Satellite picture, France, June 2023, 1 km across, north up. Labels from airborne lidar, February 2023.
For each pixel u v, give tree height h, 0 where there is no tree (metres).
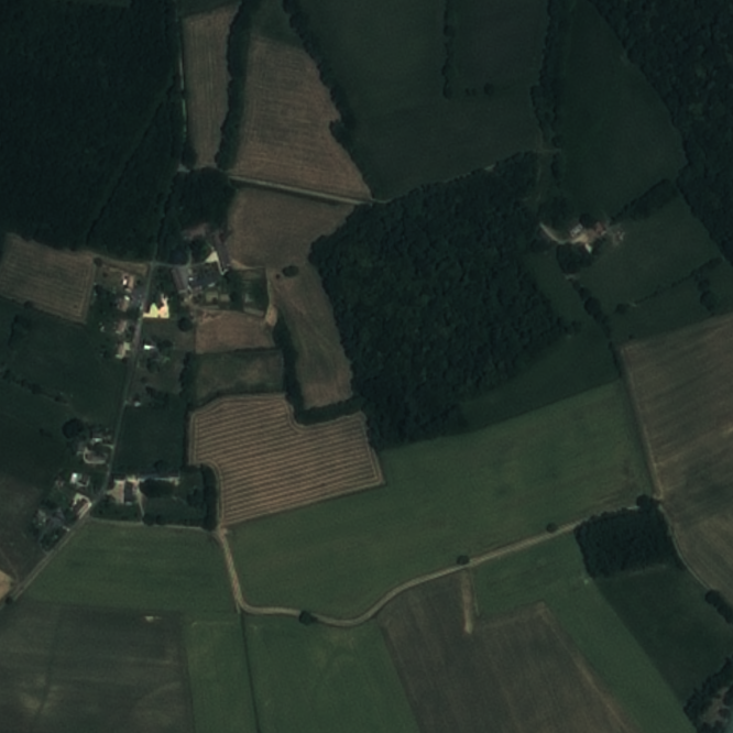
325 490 0
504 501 0
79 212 13
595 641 0
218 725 0
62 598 0
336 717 0
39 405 0
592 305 21
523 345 18
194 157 15
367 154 0
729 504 0
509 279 27
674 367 0
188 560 0
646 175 0
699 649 0
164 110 11
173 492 12
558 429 0
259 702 0
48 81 14
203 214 8
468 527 0
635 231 0
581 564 0
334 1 0
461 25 0
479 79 0
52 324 0
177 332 0
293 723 0
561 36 16
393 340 20
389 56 0
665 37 23
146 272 0
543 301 6
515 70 0
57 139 8
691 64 26
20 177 10
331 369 0
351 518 0
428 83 0
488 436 0
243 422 0
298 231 0
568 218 8
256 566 0
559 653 0
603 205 0
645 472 0
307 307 0
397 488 0
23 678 0
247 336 0
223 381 0
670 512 0
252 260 0
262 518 0
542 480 0
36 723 0
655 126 0
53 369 0
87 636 0
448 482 0
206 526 11
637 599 0
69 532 0
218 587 0
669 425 0
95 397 0
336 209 0
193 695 0
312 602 0
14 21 9
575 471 0
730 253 21
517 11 0
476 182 13
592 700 0
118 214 13
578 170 0
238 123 17
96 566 0
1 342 0
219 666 0
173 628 0
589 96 0
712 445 0
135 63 12
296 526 0
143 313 0
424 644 0
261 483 0
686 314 0
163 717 0
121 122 11
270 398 0
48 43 10
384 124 0
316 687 0
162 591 0
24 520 0
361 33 0
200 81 0
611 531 27
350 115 14
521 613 0
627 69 0
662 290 14
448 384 23
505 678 0
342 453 0
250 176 0
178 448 0
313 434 0
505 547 0
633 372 0
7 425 0
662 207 10
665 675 0
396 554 0
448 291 17
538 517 0
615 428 0
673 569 0
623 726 0
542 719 0
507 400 0
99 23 10
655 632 0
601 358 0
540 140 0
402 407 15
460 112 0
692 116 20
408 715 0
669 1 27
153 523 12
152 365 14
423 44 0
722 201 17
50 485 0
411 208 22
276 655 0
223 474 0
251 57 0
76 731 0
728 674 13
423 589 0
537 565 0
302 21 21
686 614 0
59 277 0
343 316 15
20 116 9
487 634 0
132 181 12
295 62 0
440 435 31
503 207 23
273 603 0
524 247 27
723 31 25
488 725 0
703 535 0
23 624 0
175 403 0
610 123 0
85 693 0
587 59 0
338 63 0
